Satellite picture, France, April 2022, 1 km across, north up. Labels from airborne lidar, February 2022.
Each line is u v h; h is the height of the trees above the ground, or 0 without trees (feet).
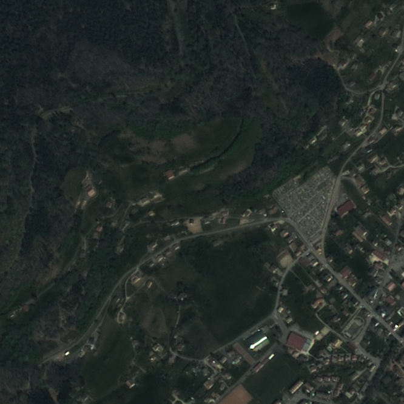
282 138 32
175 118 97
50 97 98
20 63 104
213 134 0
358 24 0
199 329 0
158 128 73
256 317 0
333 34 0
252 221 0
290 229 0
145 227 0
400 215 0
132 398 0
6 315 30
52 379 110
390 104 0
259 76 94
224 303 0
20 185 75
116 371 0
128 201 0
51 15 71
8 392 123
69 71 98
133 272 0
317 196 0
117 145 0
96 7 73
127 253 33
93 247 0
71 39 64
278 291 0
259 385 0
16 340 90
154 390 0
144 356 0
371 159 0
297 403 0
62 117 91
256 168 69
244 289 0
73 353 0
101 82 95
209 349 0
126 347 0
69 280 72
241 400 0
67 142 85
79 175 0
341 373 0
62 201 105
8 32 110
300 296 0
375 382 52
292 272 0
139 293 0
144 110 109
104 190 50
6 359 34
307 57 107
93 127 87
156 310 0
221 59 115
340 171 0
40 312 0
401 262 0
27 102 118
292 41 95
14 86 80
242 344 0
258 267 0
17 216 74
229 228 0
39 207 87
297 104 56
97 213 0
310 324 0
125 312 0
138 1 67
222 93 117
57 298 0
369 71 0
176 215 0
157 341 46
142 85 91
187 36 21
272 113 66
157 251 0
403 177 0
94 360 0
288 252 0
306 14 0
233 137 0
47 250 87
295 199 0
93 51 101
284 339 0
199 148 0
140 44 79
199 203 0
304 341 0
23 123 103
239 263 0
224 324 0
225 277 0
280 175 88
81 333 66
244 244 35
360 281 33
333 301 0
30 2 50
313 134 22
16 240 72
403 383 0
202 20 99
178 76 61
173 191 0
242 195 70
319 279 21
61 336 100
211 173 0
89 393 0
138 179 0
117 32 79
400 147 0
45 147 86
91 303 71
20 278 94
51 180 94
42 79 81
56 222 91
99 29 85
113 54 97
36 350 82
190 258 48
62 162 93
